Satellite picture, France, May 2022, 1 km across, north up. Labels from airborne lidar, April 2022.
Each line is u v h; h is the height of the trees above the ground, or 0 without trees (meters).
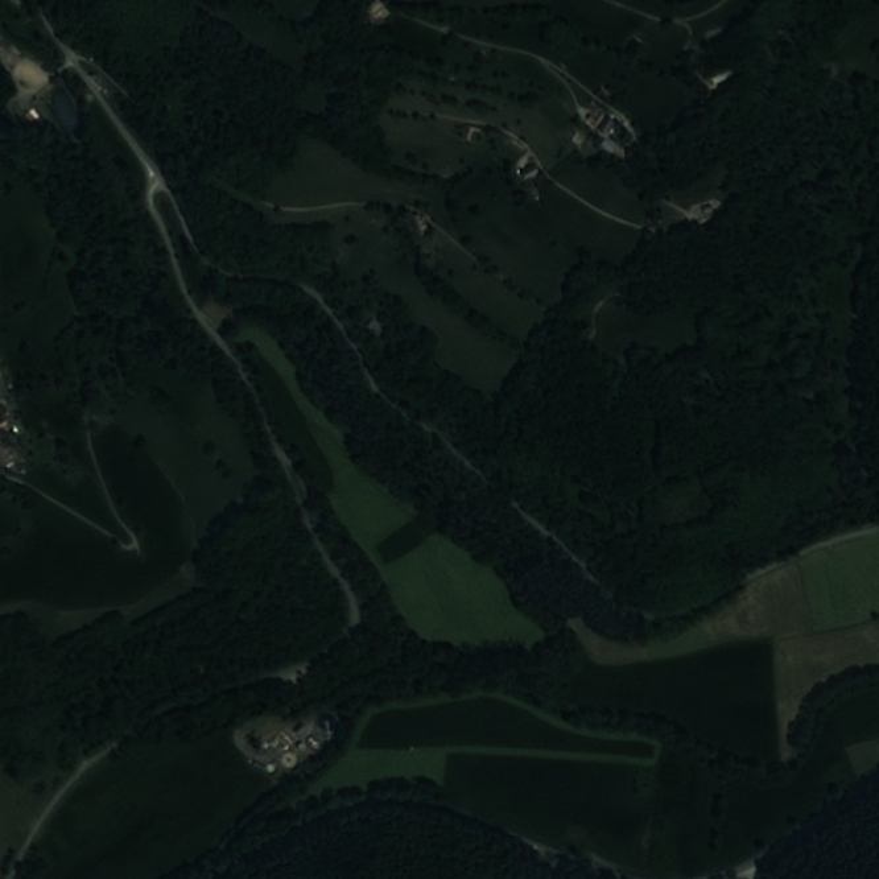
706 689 0
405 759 0
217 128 16
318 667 20
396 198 0
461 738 0
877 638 0
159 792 0
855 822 30
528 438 20
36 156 22
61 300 0
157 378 0
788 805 0
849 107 25
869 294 23
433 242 0
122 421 0
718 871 0
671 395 27
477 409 15
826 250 25
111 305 20
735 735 0
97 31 9
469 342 0
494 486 15
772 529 22
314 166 0
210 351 10
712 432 23
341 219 0
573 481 9
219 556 15
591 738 0
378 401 15
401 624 15
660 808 0
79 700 9
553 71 0
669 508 0
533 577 28
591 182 0
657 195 15
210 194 18
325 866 29
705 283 27
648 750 0
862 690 11
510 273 0
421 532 0
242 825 10
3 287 0
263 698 25
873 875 30
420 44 0
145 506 0
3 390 0
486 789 0
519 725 0
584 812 0
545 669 27
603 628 27
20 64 0
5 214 0
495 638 0
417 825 32
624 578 12
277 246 17
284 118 19
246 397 21
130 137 0
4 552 7
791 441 29
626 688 0
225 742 0
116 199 21
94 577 0
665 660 0
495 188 0
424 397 15
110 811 0
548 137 0
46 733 11
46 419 0
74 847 0
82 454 0
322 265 22
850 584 0
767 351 10
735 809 0
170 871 0
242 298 19
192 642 21
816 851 32
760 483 26
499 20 14
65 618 0
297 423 0
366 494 0
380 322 11
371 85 20
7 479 9
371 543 0
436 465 26
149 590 0
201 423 0
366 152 21
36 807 0
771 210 31
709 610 18
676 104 0
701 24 0
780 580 0
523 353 14
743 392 27
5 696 13
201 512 0
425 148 0
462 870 30
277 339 15
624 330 0
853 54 0
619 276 14
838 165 26
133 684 26
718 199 0
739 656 0
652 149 13
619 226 0
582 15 0
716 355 23
